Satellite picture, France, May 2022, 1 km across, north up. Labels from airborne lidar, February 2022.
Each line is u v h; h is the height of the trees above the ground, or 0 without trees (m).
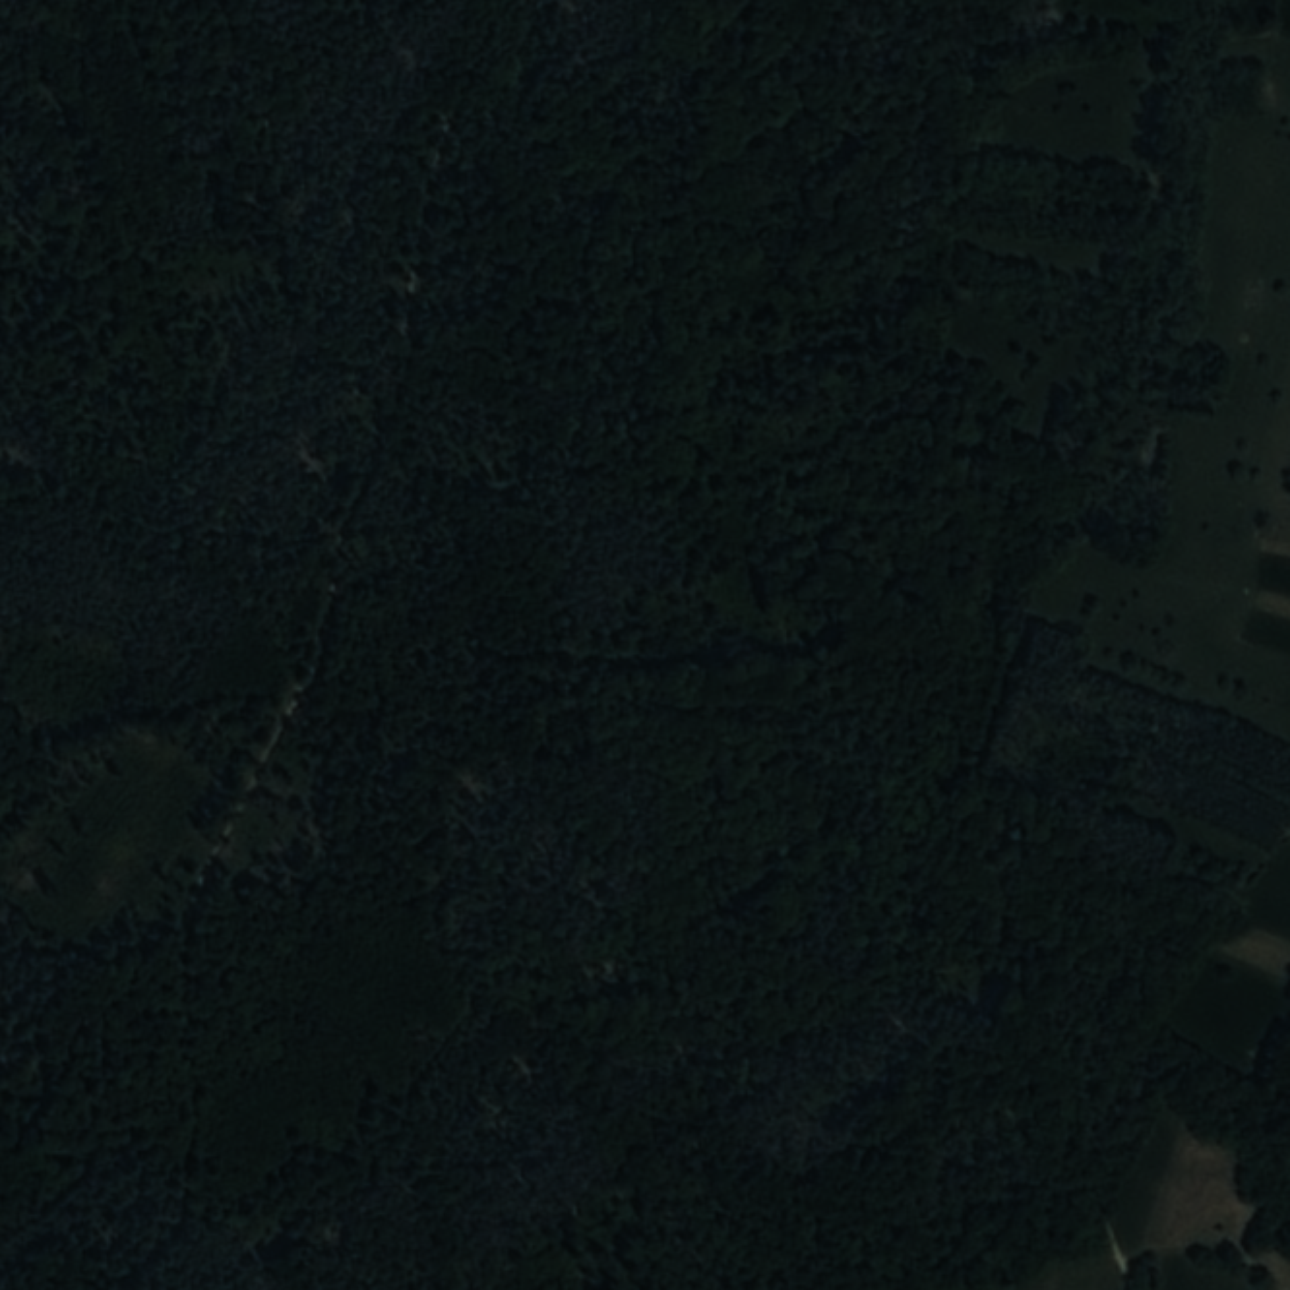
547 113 20
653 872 29
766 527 24
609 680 22
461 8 21
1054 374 0
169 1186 22
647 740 25
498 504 25
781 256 29
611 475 33
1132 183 24
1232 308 0
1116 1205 13
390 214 23
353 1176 24
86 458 11
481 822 22
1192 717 20
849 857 27
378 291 23
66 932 0
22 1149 28
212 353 23
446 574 23
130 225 15
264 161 21
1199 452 0
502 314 25
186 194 14
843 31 29
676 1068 23
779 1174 25
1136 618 0
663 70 28
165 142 19
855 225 31
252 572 26
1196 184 22
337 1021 16
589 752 19
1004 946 24
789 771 28
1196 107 20
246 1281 28
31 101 25
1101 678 16
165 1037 25
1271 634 0
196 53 28
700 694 32
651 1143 20
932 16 24
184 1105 18
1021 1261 23
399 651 22
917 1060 30
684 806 26
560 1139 25
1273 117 0
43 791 27
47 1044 26
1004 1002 34
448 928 17
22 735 26
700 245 24
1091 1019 22
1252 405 0
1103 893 30
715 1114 22
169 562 17
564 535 23
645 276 28
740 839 32
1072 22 12
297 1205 20
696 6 30
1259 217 0
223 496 21
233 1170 21
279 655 13
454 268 25
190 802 0
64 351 31
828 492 26
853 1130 19
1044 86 0
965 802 32
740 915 26
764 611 23
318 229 24
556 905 26
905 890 27
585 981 25
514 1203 27
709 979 31
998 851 33
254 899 21
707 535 30
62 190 26
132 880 0
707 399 19
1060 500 27
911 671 25
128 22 6
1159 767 13
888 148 33
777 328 31
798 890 32
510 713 22
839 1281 22
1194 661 0
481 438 29
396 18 25
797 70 30
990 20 24
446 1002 16
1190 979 18
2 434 19
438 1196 23
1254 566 0
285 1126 9
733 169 32
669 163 30
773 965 30
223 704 24
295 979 19
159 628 21
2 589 22
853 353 33
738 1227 28
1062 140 0
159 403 27
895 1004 25
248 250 23
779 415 29
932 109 34
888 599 36
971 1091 24
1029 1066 27
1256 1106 18
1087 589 0
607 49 26
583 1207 27
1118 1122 21
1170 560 0
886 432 26
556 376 26
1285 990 0
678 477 17
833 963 30
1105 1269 0
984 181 25
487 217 19
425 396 22
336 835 22
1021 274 18
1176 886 18
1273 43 0
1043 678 22
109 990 28
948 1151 27
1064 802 22
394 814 22
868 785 39
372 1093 27
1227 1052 0
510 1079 6
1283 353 0
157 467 10
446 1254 27
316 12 27
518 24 19
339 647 21
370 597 15
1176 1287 0
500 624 25
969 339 0
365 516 26
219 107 29
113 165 25
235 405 25
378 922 19
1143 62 0
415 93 21
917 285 30
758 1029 28
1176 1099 18
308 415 26
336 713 12
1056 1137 16
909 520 31
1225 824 17
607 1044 23
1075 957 27
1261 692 0
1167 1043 22
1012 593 24
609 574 27
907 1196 24
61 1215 28
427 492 25
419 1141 22
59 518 19
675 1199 26
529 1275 7
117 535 16
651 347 25
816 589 23
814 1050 26
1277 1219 14
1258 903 0
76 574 23
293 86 25
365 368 20
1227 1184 0
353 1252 22
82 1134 25
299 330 23
